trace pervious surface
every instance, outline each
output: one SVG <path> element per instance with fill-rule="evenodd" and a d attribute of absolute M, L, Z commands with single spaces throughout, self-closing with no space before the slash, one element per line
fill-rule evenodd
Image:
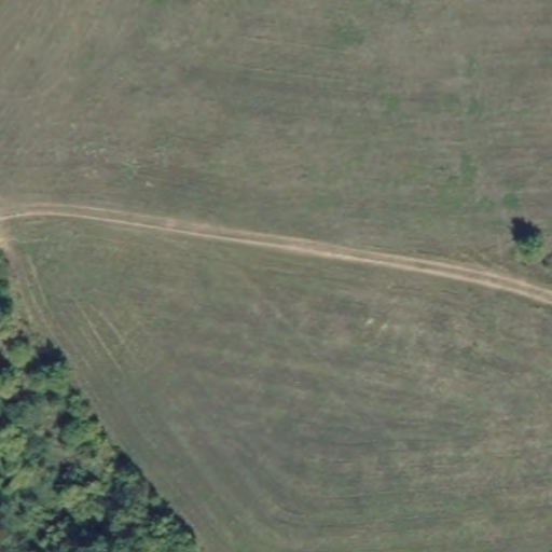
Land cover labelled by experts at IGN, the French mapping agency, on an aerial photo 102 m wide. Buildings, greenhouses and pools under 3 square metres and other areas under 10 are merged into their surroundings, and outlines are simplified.
<path fill-rule="evenodd" d="M 119 207 L 58 201 L 13 203 L 6 196 L 0 196 L 0 248 L 4 252 L 13 246 L 9 231 L 4 229 L 6 220 L 58 216 L 114 224 L 136 233 L 175 233 L 213 242 L 244 244 L 254 248 L 270 248 L 321 259 L 339 259 L 349 263 L 440 276 L 552 304 L 552 287 L 528 282 L 505 272 L 494 272 L 477 263 L 464 265 L 429 257 L 405 257 L 362 248 L 345 248 L 339 244 L 317 239 L 233 229 L 190 218 L 140 213 Z"/>

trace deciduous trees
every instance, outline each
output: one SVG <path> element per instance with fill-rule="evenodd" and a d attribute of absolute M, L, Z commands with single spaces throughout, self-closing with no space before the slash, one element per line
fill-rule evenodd
<path fill-rule="evenodd" d="M 524 263 L 537 263 L 548 250 L 546 242 L 537 237 L 526 244 L 528 250 L 524 252 Z"/>
<path fill-rule="evenodd" d="M 0 552 L 201 552 L 198 546 L 194 546 L 196 533 L 192 530 L 192 526 L 168 507 L 168 502 L 157 494 L 155 485 L 144 477 L 142 468 L 134 464 L 129 455 L 125 455 L 119 446 L 110 449 L 110 442 L 104 440 L 106 433 L 97 431 L 97 416 L 88 416 L 88 401 L 78 399 L 80 388 L 71 386 L 71 371 L 63 367 L 63 351 L 54 347 L 43 334 L 32 332 L 28 319 L 15 321 L 6 315 L 13 304 L 9 298 L 6 280 L 11 267 L 4 263 L 4 252 L 0 248 Z"/>

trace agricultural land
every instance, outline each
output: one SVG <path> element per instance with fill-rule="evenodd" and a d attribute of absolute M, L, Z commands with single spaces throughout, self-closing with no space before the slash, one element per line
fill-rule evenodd
<path fill-rule="evenodd" d="M 6 196 L 13 203 L 58 201 L 119 207 L 140 213 L 190 218 L 233 229 L 317 239 L 339 244 L 345 248 L 362 248 L 405 257 L 429 257 L 464 265 L 477 263 L 494 272 L 505 272 L 528 282 L 552 287 L 552 0 L 0 0 L 0 196 Z M 546 242 L 548 250 L 537 263 L 524 263 L 524 252 L 528 250 L 526 244 L 537 237 Z"/>
<path fill-rule="evenodd" d="M 4 229 L 9 231 L 13 246 L 4 252 L 4 263 L 11 267 L 6 280 L 9 298 L 13 304 L 6 315 L 15 321 L 28 319 L 32 332 L 43 334 L 54 347 L 63 351 L 63 367 L 71 371 L 71 386 L 80 388 L 78 399 L 88 401 L 88 416 L 97 416 L 97 431 L 106 433 L 104 440 L 110 442 L 110 449 L 119 446 L 125 455 L 129 455 L 134 464 L 142 468 L 144 477 L 155 485 L 157 494 L 168 502 L 168 507 L 192 526 L 192 530 L 196 533 L 194 546 L 198 546 L 201 552 L 552 552 L 552 304 L 440 276 L 349 263 L 339 259 L 321 259 L 270 248 L 254 248 L 244 244 L 213 242 L 175 233 L 136 233 L 114 224 L 58 216 L 6 220 Z"/>

